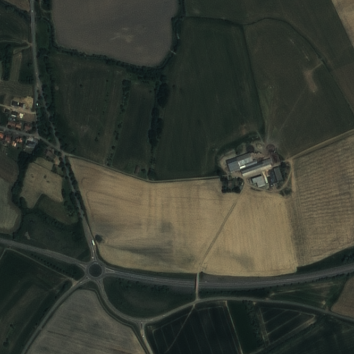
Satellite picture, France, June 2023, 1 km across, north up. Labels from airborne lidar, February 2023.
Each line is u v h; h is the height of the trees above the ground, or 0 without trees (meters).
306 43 0
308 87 0
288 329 0
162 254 0
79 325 0
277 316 0
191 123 0
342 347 0
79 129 0
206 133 0
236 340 0
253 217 0
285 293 0
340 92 0
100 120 0
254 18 0
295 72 0
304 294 0
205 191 0
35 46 0
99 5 0
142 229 0
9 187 0
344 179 0
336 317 0
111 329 0
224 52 0
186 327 0
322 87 0
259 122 0
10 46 15
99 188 0
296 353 0
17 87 0
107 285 0
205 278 0
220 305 0
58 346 0
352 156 0
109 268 0
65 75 0
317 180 0
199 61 0
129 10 0
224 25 0
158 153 0
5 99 0
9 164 0
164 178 0
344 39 0
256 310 0
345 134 0
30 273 0
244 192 0
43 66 0
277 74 0
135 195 0
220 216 0
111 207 0
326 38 0
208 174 0
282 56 0
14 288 0
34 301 0
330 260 0
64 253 0
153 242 0
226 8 0
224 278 0
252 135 0
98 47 0
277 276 0
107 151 0
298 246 0
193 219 0
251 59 0
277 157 0
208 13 0
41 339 0
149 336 0
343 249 0
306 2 0
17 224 0
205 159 0
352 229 0
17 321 0
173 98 0
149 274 0
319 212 0
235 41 0
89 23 0
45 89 20
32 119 0
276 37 0
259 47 0
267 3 0
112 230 0
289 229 0
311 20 0
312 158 0
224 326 0
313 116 0
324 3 0
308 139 0
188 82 0
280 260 0
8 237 8
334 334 0
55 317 0
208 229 0
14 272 0
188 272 0
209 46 0
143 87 0
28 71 0
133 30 0
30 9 0
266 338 0
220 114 0
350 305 0
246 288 0
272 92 0
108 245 0
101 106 0
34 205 0
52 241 0
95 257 0
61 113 0
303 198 0
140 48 0
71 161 0
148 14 0
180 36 0
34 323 0
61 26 0
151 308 0
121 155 0
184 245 0
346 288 0
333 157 0
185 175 0
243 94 0
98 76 0
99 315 0
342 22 0
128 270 0
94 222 0
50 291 0
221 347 0
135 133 0
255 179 0
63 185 0
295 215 0
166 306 0
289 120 0
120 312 0
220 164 0
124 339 0
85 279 0
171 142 0
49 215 0
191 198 0
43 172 0
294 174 0
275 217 0
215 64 0
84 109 0
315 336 0
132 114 0
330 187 0
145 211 0
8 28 0
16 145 0
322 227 0
